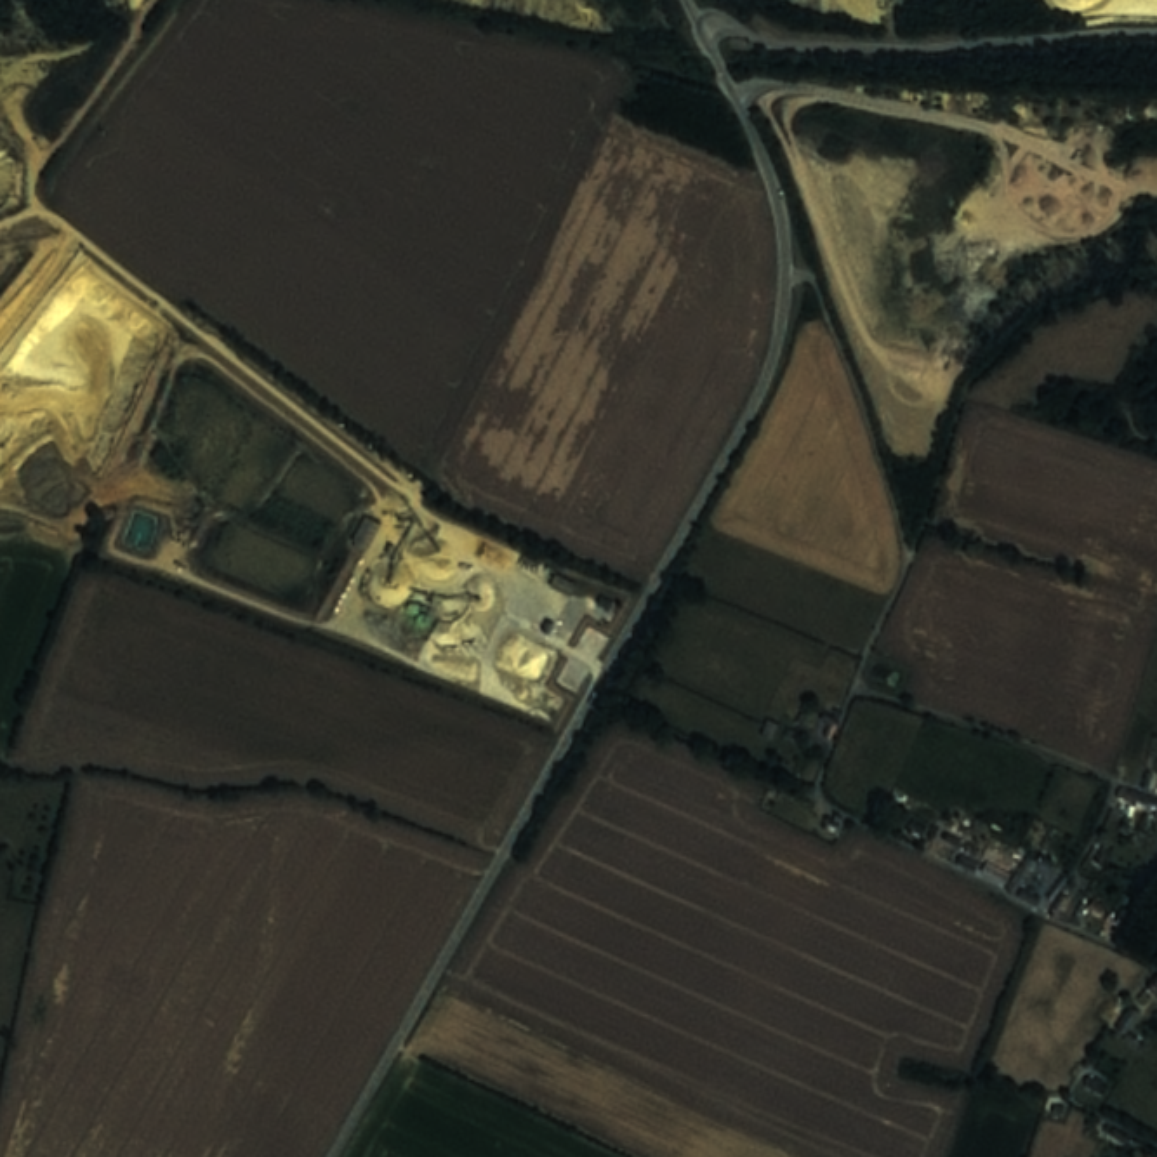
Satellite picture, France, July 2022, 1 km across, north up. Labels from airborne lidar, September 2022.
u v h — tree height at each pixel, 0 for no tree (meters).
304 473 0
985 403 0
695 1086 0
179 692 0
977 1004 0
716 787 0
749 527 0
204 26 0
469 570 0
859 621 0
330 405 15
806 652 0
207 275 0
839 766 0
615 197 0
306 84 0
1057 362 0
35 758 0
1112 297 16
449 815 0
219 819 0
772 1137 0
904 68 7
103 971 0
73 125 0
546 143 0
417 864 0
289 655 0
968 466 0
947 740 0
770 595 0
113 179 0
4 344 0
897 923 0
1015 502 0
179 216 0
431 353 0
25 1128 0
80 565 11
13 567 0
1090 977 0
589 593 0
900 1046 0
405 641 0
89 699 0
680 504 0
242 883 0
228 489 0
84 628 0
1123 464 0
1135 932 23
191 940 0
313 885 0
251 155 0
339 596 0
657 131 8
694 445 0
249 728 0
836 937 0
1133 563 0
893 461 7
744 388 0
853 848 0
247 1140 0
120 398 0
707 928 0
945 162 0
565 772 13
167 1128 0
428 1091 0
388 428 0
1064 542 0
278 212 0
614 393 0
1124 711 0
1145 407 7
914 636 0
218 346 0
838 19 11
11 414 0
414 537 0
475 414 0
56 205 0
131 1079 0
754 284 0
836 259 0
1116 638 0
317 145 0
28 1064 0
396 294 0
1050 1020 0
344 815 0
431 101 0
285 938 0
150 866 0
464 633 0
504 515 0
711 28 0
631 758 0
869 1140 0
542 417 0
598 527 0
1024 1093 6
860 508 0
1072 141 0
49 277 0
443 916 0
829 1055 0
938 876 0
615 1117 0
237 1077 0
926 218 0
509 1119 0
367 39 0
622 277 0
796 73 6
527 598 0
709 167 0
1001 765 0
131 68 0
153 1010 0
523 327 0
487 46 0
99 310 0
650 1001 0
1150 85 13
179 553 0
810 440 0
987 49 9
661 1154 0
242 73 0
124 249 0
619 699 19
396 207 0
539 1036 0
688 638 0
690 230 0
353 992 0
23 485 0
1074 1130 0
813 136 0
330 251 0
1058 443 0
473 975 0
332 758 0
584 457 0
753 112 10
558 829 0
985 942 0
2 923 0
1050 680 0
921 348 0
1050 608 0
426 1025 0
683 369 0
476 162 0
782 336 0
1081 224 0
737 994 0
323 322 0
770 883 0
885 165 0
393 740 0
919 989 0
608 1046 0
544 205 0
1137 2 0
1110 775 0
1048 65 12
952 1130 0
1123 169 0
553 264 0
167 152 0
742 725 0
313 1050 0
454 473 0
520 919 0
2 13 7
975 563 0
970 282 0
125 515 0
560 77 0
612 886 0
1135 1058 0
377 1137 0
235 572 0
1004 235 0
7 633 0
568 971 0
